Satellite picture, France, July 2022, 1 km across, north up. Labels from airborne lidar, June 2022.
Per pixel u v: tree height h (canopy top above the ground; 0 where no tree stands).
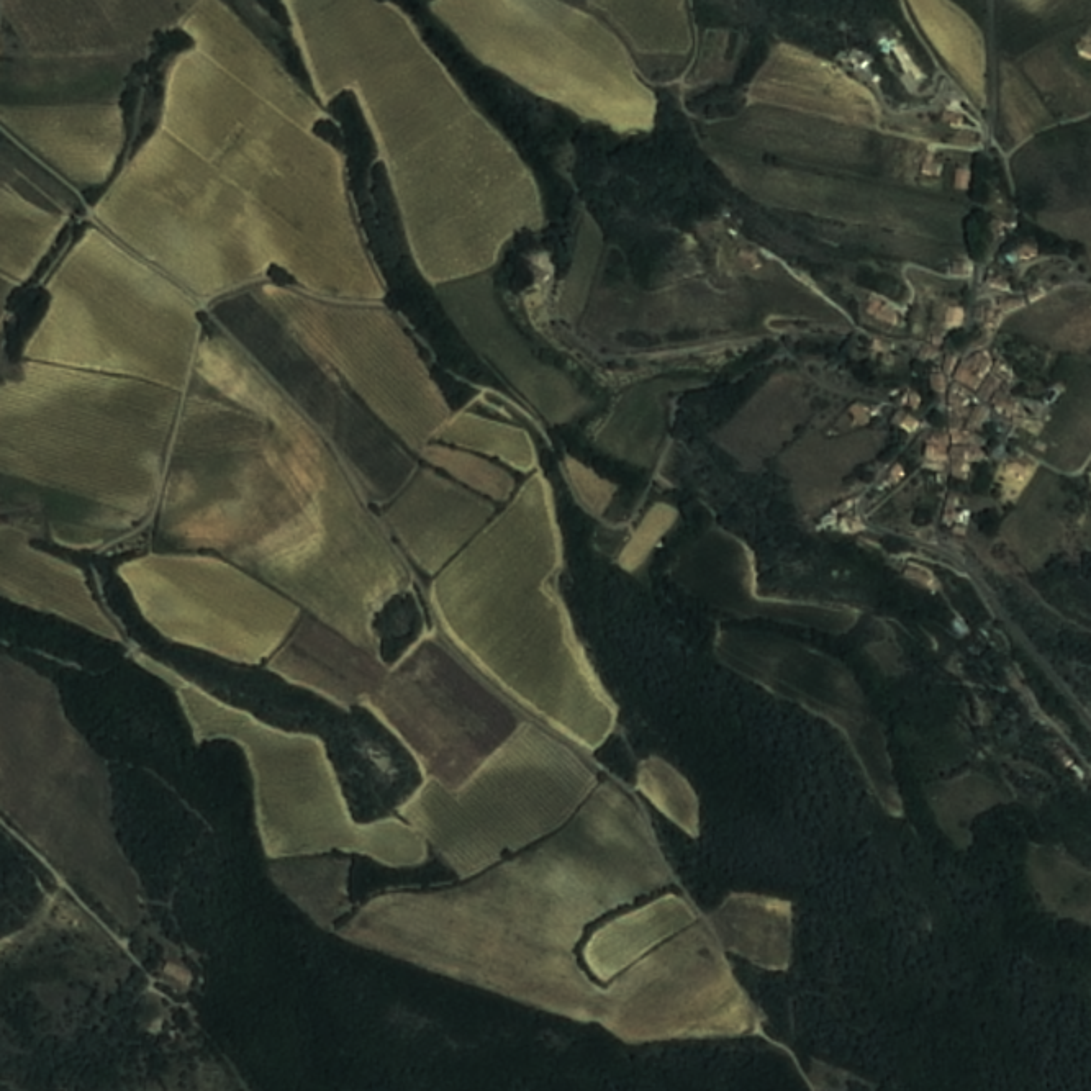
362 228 7
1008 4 0
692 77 0
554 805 0
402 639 7
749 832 14
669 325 0
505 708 0
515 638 0
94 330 0
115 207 0
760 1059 6
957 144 0
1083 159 0
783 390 0
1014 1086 7
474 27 0
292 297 0
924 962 14
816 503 0
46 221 0
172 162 0
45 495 0
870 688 9
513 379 0
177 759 7
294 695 7
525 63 0
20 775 0
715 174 11
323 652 0
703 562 0
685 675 11
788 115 0
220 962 12
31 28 0
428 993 6
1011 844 10
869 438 0
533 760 0
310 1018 11
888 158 0
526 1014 6
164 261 0
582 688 0
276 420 0
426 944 0
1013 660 6
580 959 7
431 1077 7
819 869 9
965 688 11
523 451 0
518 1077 6
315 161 0
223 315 0
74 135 0
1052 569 11
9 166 0
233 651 0
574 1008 0
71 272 0
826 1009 11
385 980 6
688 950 0
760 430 0
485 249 0
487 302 0
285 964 7
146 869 8
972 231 19
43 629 10
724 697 9
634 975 0
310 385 0
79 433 0
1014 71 0
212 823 9
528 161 13
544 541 0
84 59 0
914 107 0
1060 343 0
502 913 0
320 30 0
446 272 0
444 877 7
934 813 7
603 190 7
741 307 0
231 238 0
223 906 12
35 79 0
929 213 0
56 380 0
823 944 6
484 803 0
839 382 0
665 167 9
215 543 0
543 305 0
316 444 0
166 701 12
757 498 6
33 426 0
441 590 0
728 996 0
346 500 0
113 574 6
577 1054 6
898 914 9
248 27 0
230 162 0
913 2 0
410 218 0
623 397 0
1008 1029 6
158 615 0
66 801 0
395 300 15
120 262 0
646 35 0
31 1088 6
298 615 0
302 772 0
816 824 8
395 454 0
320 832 0
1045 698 10
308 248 0
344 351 0
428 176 0
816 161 0
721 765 19
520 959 0
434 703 0
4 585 0
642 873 0
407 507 0
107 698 10
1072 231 0
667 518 0
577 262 0
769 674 0
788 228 7
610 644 12
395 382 0
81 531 0
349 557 0
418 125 0
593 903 0
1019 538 0
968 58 0
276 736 0
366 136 10
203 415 0
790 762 14
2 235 0
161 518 0
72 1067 7
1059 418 0
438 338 7
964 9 0
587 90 0
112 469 0
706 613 12
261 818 0
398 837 0
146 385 0
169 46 10
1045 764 6
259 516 0
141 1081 7
